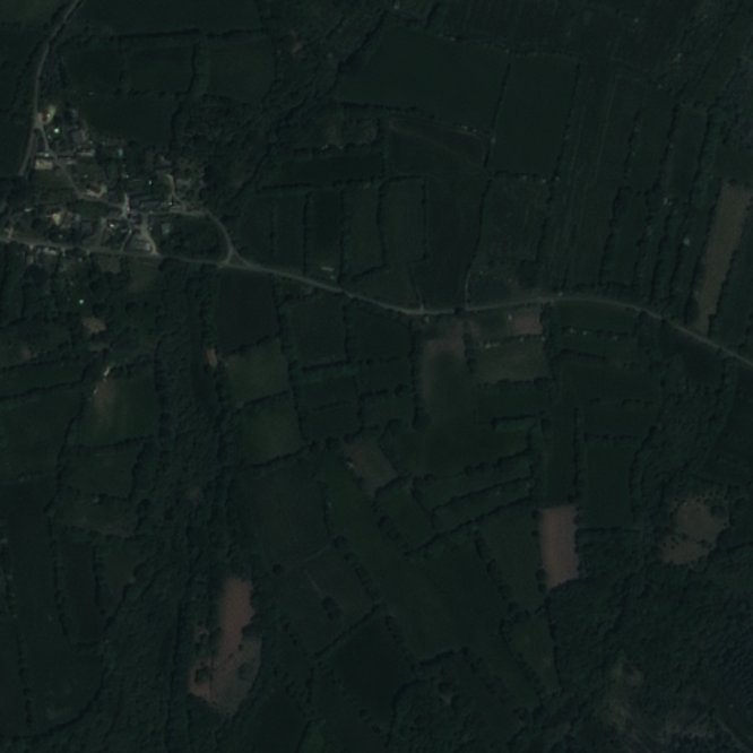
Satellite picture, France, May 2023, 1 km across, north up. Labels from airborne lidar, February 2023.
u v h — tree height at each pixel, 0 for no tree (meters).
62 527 11
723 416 9
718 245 0
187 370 8
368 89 0
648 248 12
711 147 15
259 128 9
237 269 0
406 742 9
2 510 0
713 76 0
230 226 16
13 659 0
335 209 0
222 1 0
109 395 0
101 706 15
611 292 17
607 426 0
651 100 0
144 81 0
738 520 13
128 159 8
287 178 0
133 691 9
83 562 0
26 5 0
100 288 20
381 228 9
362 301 8
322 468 0
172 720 23
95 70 0
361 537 0
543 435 7
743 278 0
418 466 0
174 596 8
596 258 0
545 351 7
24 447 0
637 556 16
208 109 14
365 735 0
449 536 11
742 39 0
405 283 0
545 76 0
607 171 0
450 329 0
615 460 0
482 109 0
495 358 0
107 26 0
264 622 10
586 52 0
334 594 0
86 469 0
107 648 6
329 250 0
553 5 0
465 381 0
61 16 8
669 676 8
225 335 0
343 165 0
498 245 0
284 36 16
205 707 13
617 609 11
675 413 9
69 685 0
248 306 0
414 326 8
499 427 17
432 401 0
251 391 0
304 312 0
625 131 0
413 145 0
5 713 0
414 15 0
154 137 0
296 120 13
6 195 9
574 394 0
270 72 0
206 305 12
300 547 0
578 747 25
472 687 0
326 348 0
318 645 0
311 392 0
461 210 0
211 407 0
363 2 7
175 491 6
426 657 0
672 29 0
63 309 11
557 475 0
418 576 0
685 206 11
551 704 16
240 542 11
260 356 0
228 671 0
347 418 0
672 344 0
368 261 0
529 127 0
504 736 0
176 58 0
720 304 7
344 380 0
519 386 10
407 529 0
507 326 0
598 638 9
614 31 0
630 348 0
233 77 0
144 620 8
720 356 11
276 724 0
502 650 0
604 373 0
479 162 0
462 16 0
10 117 6
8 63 8
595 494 0
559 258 0
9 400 13
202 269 10
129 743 8
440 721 21
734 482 0
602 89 0
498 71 0
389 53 0
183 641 17
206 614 9
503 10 0
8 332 12
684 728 0
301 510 0
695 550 0
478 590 0
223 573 15
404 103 0
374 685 0
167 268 15
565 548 0
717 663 15
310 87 9
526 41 0
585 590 21
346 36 0
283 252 0
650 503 7
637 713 0
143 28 0
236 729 15
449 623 0
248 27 0
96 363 11
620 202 16
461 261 0
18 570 0
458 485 0
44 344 0
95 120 0
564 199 0
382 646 0
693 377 0
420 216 0
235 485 16
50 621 0
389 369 0
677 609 17
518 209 0
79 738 6
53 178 0
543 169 0
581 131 0
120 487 0
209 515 8
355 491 0
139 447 12
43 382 0
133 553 13
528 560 0
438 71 0
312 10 0
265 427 0
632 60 0
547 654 0
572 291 7
